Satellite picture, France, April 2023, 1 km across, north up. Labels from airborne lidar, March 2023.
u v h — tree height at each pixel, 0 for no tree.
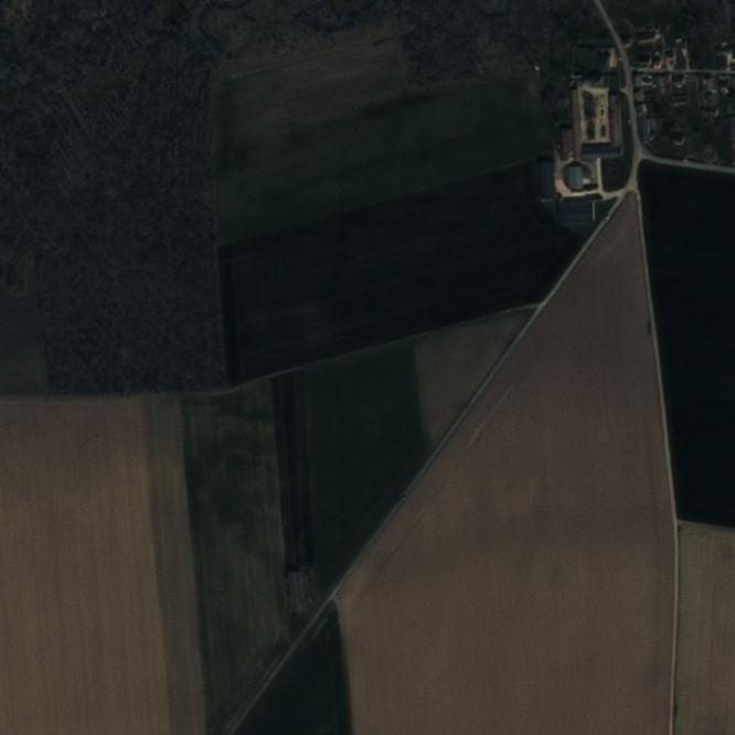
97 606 0
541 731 0
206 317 8
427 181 0
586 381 0
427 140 0
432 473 0
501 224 0
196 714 0
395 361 0
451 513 0
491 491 0
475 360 0
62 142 29
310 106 0
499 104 0
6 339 0
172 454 0
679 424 0
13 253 28
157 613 0
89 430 0
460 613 0
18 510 0
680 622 0
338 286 0
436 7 27
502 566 0
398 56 0
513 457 0
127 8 20
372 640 0
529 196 0
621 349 0
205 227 24
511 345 0
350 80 0
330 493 0
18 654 0
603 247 0
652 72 0
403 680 0
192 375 20
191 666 0
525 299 0
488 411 0
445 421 0
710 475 0
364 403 0
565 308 0
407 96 0
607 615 0
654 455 0
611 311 0
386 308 0
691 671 0
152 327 11
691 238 0
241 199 0
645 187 0
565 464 0
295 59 0
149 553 0
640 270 0
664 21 0
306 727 0
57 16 26
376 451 0
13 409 0
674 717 0
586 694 0
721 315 0
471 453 0
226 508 0
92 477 0
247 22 15
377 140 0
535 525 0
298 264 0
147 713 0
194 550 0
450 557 0
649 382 0
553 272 0
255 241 0
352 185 0
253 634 0
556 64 14
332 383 0
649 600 0
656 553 0
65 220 23
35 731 0
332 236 0
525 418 0
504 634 0
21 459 0
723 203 0
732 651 0
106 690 0
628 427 0
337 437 0
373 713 0
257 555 0
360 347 0
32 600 0
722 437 0
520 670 0
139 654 0
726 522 0
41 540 0
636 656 0
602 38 15
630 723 0
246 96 0
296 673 0
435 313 0
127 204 26
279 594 0
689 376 0
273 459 0
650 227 0
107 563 0
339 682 0
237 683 0
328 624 0
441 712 0
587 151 0
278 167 0
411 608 0
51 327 18
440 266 0
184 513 0
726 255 0
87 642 0
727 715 0
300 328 0
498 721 0
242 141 0
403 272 0
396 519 0
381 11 8
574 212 0
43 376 0
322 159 0
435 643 0
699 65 0
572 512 0
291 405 0
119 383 18
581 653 0
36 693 0
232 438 0
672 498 0
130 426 0
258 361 0
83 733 0
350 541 0
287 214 0
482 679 0
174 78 16
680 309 0
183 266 18
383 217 0
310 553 0
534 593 0
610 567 0
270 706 0
